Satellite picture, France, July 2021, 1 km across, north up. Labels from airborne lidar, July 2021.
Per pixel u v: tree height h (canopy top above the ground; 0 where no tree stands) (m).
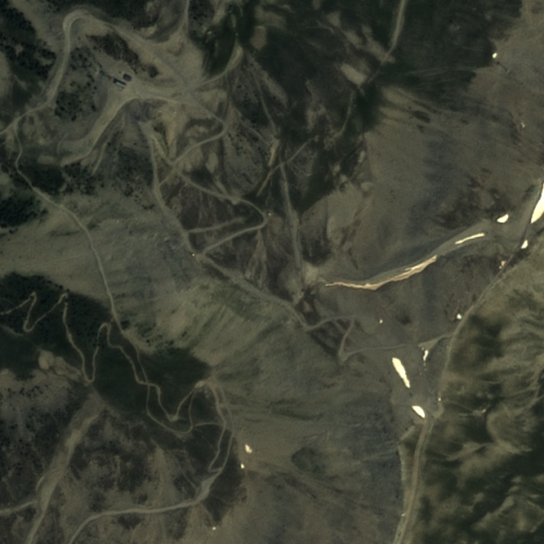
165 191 0
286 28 0
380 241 0
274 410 0
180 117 0
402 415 0
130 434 0
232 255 0
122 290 0
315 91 0
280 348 0
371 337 0
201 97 0
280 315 0
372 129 0
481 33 0
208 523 0
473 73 0
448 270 0
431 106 0
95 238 0
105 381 0
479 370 0
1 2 7
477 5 0
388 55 0
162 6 0
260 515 0
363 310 0
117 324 0
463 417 0
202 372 0
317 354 0
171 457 0
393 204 0
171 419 0
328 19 0
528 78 0
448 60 0
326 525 0
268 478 0
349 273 0
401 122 0
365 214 0
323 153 0
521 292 0
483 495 0
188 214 0
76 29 0
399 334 0
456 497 0
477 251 0
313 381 0
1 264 0
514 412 0
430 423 0
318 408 0
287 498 0
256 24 0
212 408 0
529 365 0
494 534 0
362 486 0
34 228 0
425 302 0
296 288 0
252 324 0
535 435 0
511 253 0
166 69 0
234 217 0
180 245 0
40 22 0
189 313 0
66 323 0
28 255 0
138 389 0
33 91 0
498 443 0
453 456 0
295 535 0
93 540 0
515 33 0
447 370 0
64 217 0
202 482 0
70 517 0
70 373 0
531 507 0
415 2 0
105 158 0
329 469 0
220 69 0
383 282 0
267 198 0
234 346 0
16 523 0
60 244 0
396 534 0
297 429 0
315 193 0
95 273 0
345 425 0
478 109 0
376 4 0
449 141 0
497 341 0
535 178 0
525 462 0
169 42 0
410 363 0
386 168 0
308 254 0
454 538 0
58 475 0
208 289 0
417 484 0
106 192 0
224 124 0
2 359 0
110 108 0
